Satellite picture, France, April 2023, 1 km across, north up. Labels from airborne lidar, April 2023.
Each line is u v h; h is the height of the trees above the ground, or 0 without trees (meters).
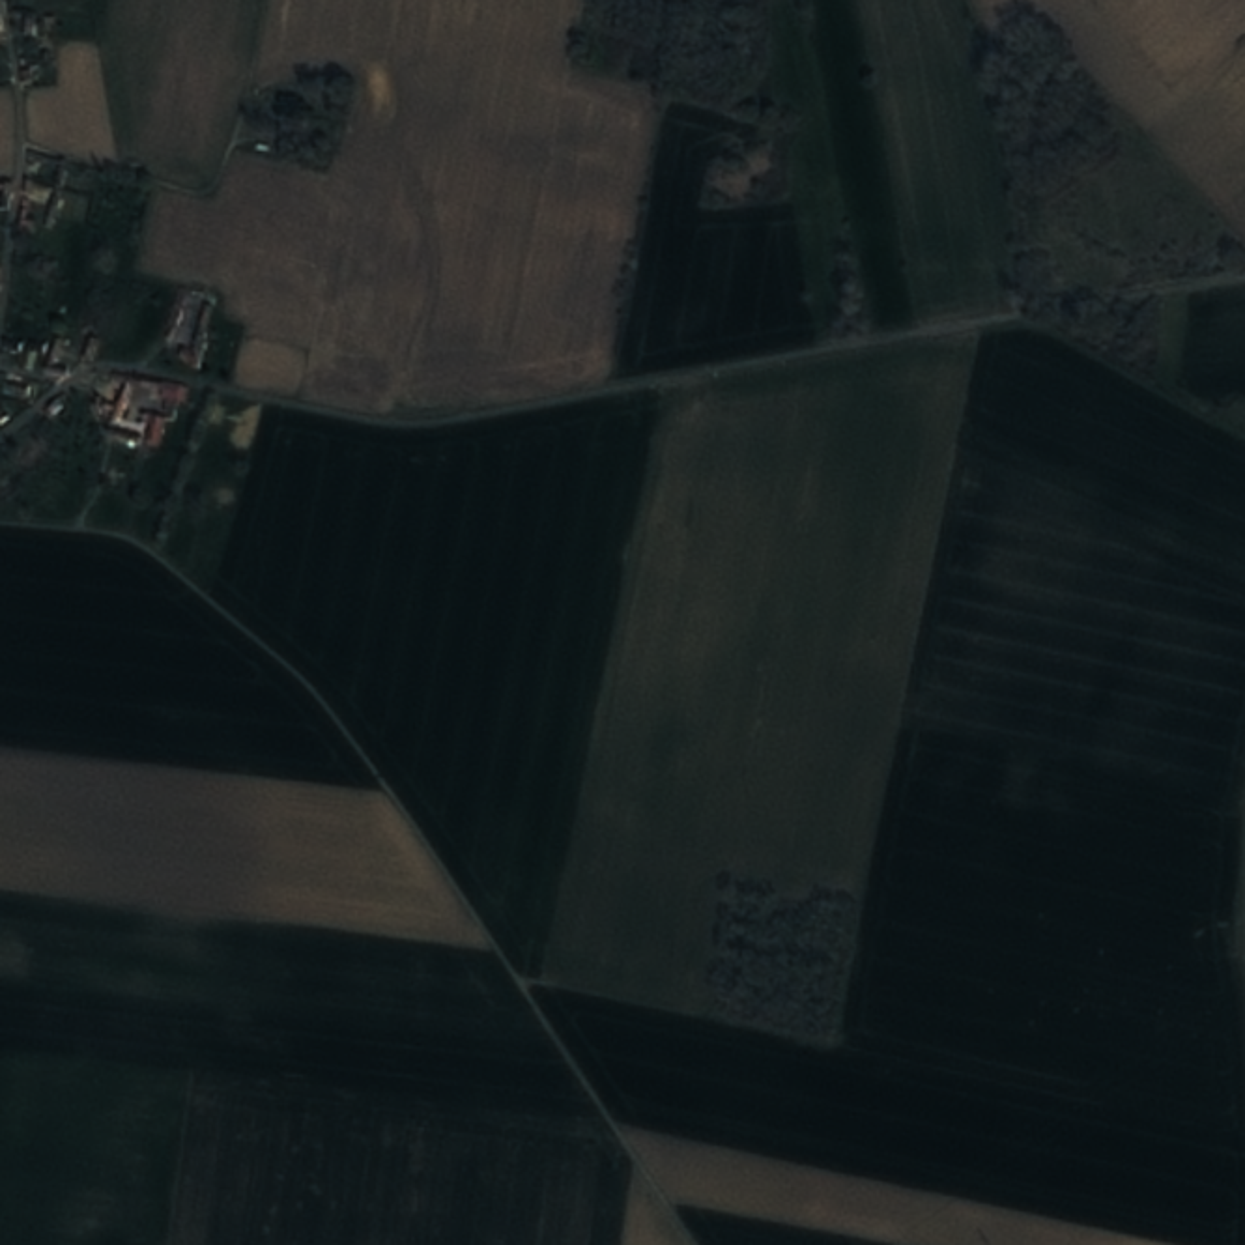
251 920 0
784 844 0
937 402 0
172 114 0
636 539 0
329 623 0
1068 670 0
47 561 0
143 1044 0
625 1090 0
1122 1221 0
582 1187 0
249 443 0
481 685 0
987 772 0
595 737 0
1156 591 0
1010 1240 0
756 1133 0
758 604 0
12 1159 0
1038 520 0
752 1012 16
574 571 0
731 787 0
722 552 0
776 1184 0
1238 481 0
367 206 0
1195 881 0
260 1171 0
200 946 0
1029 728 0
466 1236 0
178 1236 0
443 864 0
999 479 0
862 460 0
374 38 0
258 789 0
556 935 0
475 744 0
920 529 0
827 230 0
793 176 0
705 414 0
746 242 0
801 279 0
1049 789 0
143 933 0
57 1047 0
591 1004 0
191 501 11
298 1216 0
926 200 0
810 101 0
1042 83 28
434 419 0
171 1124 0
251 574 0
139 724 0
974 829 0
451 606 0
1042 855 0
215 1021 0
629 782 0
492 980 0
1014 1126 0
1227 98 0
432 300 0
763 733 0
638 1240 0
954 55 0
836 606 0
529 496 0
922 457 0
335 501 0
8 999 0
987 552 0
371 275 0
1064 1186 0
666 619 0
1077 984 0
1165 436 0
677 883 0
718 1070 0
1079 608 0
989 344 0
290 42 0
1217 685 0
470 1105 0
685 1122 0
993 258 0
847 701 0
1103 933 0
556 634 0
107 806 0
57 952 0
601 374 0
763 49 15
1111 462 0
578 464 0
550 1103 0
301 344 0
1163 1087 0
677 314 0
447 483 0
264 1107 0
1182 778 0
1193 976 0
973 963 0
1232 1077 0
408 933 0
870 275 0
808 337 0
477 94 0
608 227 0
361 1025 0
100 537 0
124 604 0
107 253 17
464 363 0
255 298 0
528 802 0
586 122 0
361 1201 0
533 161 0
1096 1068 0
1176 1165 0
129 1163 0
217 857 0
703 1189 0
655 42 19
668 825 0
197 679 0
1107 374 0
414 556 0
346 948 0
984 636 0
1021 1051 0
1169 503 0
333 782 0
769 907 20
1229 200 0
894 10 0
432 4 0
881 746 0
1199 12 0
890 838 0
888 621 0
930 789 0
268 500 0
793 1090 0
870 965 0
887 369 0
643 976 0
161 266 0
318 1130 0
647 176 0
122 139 0
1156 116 0
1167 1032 0
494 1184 0
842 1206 0
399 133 0
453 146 0
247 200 0
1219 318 0
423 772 0
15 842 0
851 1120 0
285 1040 0
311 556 0
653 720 0
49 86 0
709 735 0
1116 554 0
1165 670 0
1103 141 19
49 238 0
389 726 0
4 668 0
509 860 0
